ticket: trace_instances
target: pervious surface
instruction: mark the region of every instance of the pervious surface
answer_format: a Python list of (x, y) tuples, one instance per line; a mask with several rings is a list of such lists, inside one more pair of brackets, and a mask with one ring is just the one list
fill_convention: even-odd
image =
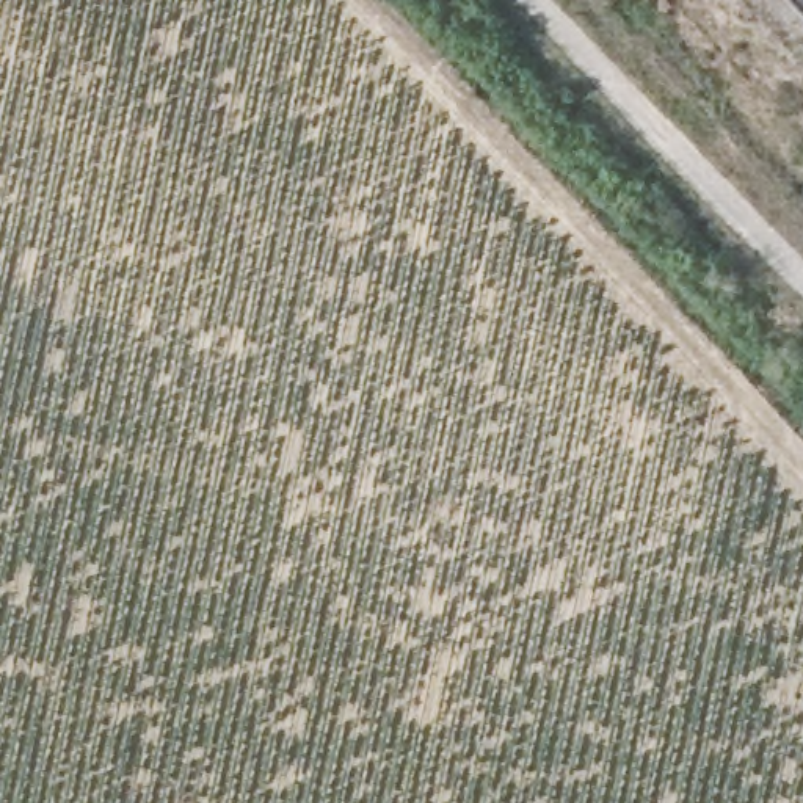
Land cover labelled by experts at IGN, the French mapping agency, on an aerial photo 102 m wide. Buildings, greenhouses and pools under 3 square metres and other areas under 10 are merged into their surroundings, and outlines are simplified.
[(643, 135), (643, 141), (665, 163), (674, 166), (674, 173), (696, 191), (703, 210), (718, 216), (728, 229), (734, 229), (743, 245), (759, 251), (768, 260), (768, 267), (775, 267), (778, 276), (803, 295), (803, 257), (787, 245), (787, 238), (775, 226), (765, 223), (765, 216), (759, 216), (759, 210), (734, 188), (734, 182), (725, 179), (699, 154), (699, 147), (637, 88), (637, 82), (630, 82), (593, 44), (593, 38), (555, 0), (518, 0), (533, 16), (546, 19), (549, 38), (565, 47), (568, 60), (577, 69), (599, 82), (605, 100), (615, 104), (627, 116), (627, 122)]

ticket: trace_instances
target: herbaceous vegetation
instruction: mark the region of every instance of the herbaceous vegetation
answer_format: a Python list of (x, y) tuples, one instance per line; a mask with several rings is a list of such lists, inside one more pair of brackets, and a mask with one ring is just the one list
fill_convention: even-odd
[(637, 82), (637, 88), (699, 147), (699, 154), (725, 179), (734, 182), (734, 188), (759, 210), (759, 216), (765, 216), (765, 223), (775, 226), (787, 238), (787, 245), (803, 257), (803, 0), (656, 0), (656, 22), (646, 25), (646, 31), (627, 35), (624, 22), (612, 13), (609, 0), (555, 0), (593, 38), (593, 44), (630, 82)]

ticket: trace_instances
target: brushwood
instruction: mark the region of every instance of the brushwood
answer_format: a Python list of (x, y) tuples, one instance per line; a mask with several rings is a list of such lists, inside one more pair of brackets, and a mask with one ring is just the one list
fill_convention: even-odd
[(772, 320), (787, 329), (800, 326), (803, 336), (803, 295), (778, 276), (775, 267), (768, 267), (768, 260), (759, 251), (743, 245), (734, 229), (728, 229), (718, 216), (703, 210), (696, 191), (674, 173), (674, 166), (665, 163), (643, 141), (643, 135), (627, 122), (627, 116), (615, 104), (605, 100), (599, 82), (577, 69), (568, 60), (565, 47), (549, 38), (546, 19), (533, 16), (518, 0), (477, 0), (477, 6), (486, 6), (502, 25), (505, 44), (499, 50), (508, 50), (508, 56), (514, 56), (524, 69), (536, 75), (543, 100), (555, 113), (565, 113), (568, 119), (587, 122), (593, 129), (596, 151), (609, 157), (609, 169), (618, 179), (662, 188), (668, 207), (674, 207), (681, 216), (687, 242), (684, 251), (690, 257), (715, 257), (718, 276), (731, 276), (737, 292), (750, 282), (756, 289), (768, 289), (768, 295), (775, 298)]

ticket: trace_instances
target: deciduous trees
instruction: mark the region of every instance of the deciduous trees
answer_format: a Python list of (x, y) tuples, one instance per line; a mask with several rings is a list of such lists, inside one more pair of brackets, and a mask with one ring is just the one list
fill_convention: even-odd
[(627, 35), (646, 31), (646, 25), (656, 22), (656, 0), (609, 0), (612, 13), (624, 22)]
[(794, 427), (794, 433), (803, 436), (803, 336), (800, 326), (787, 329), (772, 320), (775, 298), (768, 295), (768, 289), (756, 289), (750, 282), (737, 292), (731, 276), (718, 276), (715, 257), (690, 257), (684, 251), (687, 242), (681, 216), (674, 207), (668, 207), (662, 188), (618, 179), (609, 169), (609, 157), (596, 151), (593, 129), (587, 122), (568, 119), (565, 113), (555, 113), (543, 100), (536, 75), (524, 69), (514, 56), (508, 56), (508, 50), (499, 50), (505, 44), (502, 25), (486, 6), (477, 6), (477, 0), (389, 0), (402, 13), (402, 19), (414, 25), (414, 31), (442, 56), (442, 63), (452, 66), (455, 78), (464, 82), (474, 91), (474, 97), (483, 100), (492, 110), (492, 116), (508, 125), (514, 141), (530, 157), (536, 157), (624, 251), (630, 251), (630, 257), (643, 267), (643, 273), (649, 273), (649, 279), (656, 279), (665, 289), (678, 311), (712, 345), (718, 345), (725, 358)]

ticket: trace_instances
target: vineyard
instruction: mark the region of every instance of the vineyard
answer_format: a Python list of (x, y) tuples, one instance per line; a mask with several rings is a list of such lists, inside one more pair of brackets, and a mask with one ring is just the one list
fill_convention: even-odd
[(678, 311), (665, 289), (656, 279), (649, 279), (649, 273), (643, 273), (643, 267), (630, 257), (630, 251), (624, 251), (536, 157), (530, 157), (514, 141), (508, 125), (492, 116), (492, 110), (483, 100), (474, 97), (474, 91), (464, 82), (455, 78), (452, 66), (442, 63), (442, 56), (414, 31), (414, 25), (402, 19), (402, 13), (389, 0), (0, 0), (0, 803), (803, 803), (803, 436), (794, 433), (794, 427), (725, 358), (718, 345), (712, 345)]

